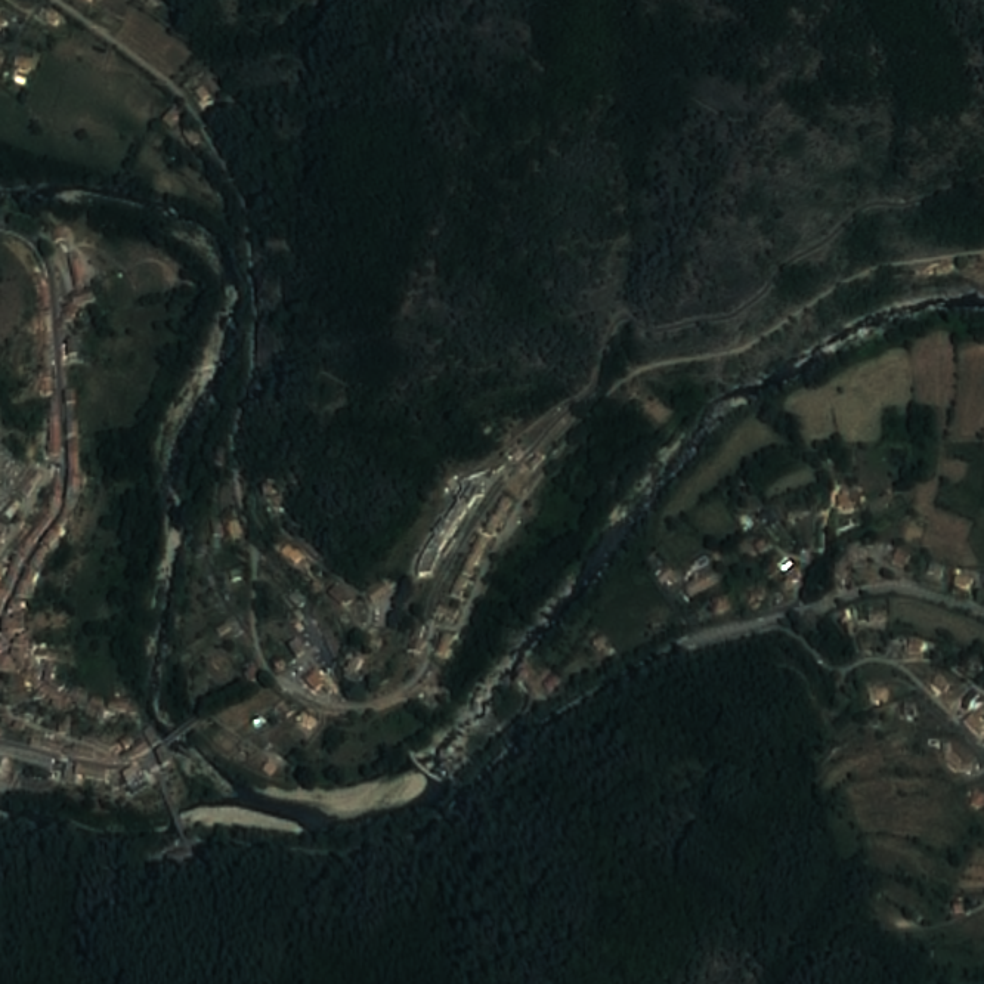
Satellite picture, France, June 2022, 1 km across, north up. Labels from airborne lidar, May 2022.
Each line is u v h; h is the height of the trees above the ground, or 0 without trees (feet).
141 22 0
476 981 84
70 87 0
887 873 25
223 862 103
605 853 45
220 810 0
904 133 24
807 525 0
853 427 0
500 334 65
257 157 110
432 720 58
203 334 85
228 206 55
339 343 39
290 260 55
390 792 0
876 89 33
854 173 25
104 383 0
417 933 47
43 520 0
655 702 42
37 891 104
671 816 30
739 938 52
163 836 49
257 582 31
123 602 78
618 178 50
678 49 53
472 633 57
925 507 0
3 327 0
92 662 0
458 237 43
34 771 48
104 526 41
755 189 29
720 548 37
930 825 0
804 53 43
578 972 54
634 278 64
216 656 0
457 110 34
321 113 32
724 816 68
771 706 29
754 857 85
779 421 64
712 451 39
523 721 59
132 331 37
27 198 55
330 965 43
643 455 58
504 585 44
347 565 48
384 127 46
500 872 47
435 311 0
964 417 0
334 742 40
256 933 100
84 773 0
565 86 51
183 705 23
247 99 50
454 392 31
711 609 24
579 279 50
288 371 98
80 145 0
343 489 64
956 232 29
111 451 39
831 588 25
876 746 0
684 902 51
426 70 52
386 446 27
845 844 0
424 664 0
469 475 20
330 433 26
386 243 49
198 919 107
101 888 56
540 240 65
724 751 37
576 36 36
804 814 78
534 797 49
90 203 31
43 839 130
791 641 26
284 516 28
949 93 32
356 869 62
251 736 0
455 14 39
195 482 69
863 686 35
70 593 37
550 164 39
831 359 118
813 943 90
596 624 29
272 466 37
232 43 35
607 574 44
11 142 23
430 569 0
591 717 58
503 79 24
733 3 47
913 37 49
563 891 42
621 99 31
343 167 56
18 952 58
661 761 42
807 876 130
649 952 52
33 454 0
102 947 124
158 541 42
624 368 28
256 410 43
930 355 0
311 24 62
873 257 30
